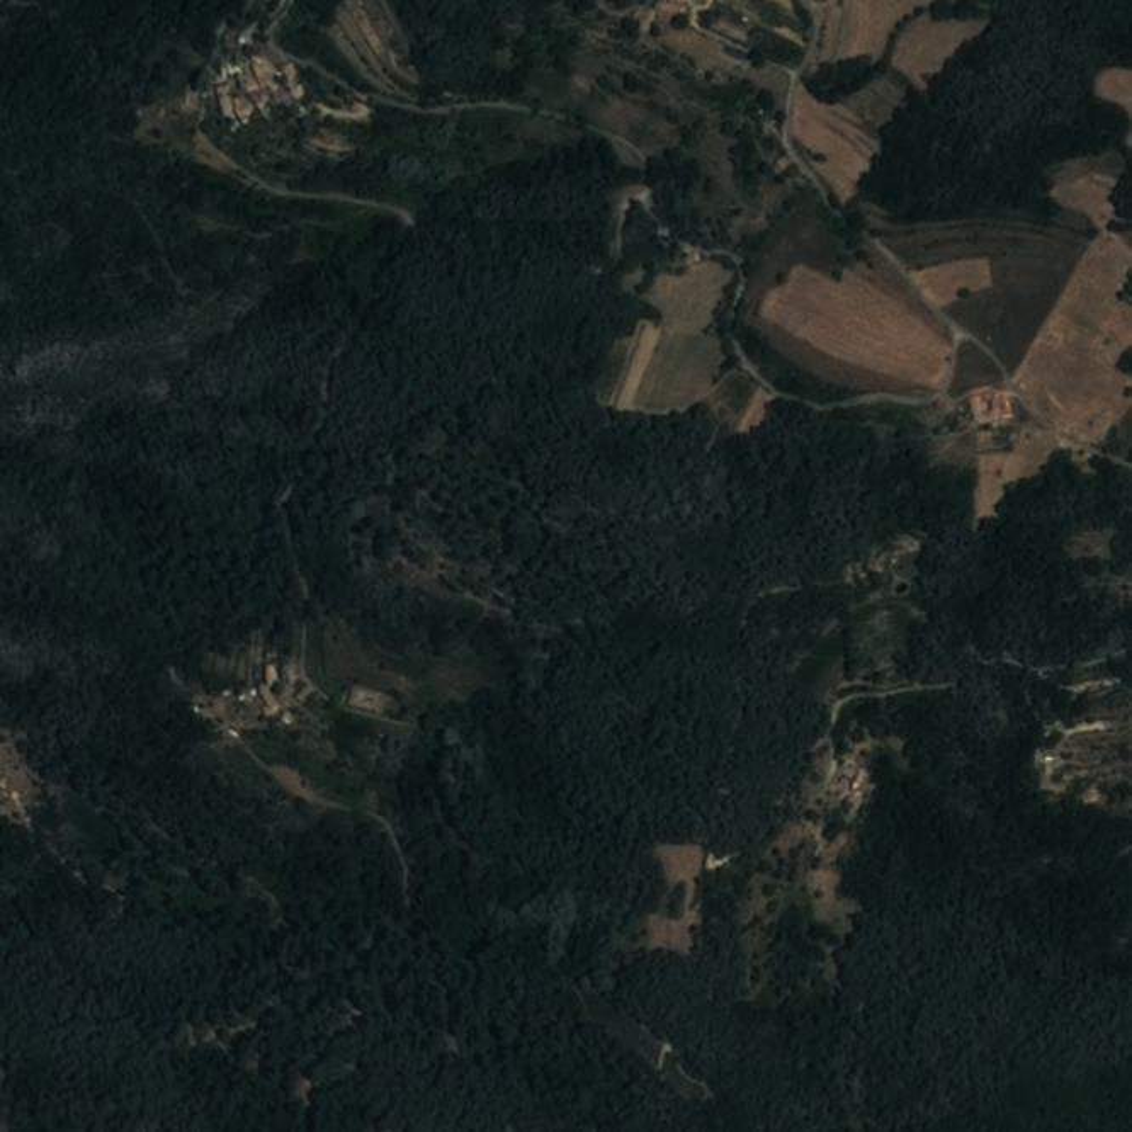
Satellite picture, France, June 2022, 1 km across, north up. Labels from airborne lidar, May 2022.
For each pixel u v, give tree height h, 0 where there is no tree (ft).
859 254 28
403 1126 58
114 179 21
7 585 34
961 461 0
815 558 73
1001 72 60
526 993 47
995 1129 37
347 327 52
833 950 42
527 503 100
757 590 60
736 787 49
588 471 44
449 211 39
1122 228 32
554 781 89
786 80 0
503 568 100
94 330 37
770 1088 40
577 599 97
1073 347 0
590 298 54
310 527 96
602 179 37
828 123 0
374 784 30
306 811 37
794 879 60
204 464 43
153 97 22
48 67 51
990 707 63
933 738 31
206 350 27
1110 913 49
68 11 33
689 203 31
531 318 60
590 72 0
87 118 29
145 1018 73
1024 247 0
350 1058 106
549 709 90
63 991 51
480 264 51
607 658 81
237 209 29
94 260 45
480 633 23
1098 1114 33
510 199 60
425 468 81
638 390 0
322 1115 73
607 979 47
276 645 38
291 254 29
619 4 28
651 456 65
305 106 21
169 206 27
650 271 25
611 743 61
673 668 72
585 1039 83
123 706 33
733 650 33
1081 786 29
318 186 32
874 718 38
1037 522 54
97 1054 58
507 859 103
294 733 19
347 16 0
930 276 0
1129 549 27
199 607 26
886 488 47
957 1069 64
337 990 114
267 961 42
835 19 0
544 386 29
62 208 27
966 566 36
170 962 51
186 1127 41
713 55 0
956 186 55
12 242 43
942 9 39
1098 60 36
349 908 61
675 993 60
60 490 46
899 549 0
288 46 35
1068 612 52
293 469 40
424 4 54
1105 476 34
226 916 83
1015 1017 35
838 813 19
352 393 38
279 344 31
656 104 20
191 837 37
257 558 33
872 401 0
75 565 21
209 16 36
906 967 65
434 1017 109
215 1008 58
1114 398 0
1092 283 0
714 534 30
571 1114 45
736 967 72
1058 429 0
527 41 33
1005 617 48
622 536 70
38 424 26
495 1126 68
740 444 37
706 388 0
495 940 32
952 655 30
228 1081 30
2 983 72
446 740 85
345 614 36
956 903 52
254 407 41
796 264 0
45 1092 43
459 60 74
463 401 52
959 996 57
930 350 0
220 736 20
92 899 66
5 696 40
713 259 21
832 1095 53
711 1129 36
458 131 31
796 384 28
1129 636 22
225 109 0
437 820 44
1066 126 38
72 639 25
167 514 81
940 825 78
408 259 56
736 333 37
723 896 25
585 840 70
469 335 37
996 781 32
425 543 94
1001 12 40
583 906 56
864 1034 73
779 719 41
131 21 23
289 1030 100
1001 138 48
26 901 33
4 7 33
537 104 33
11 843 30
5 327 30
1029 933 58
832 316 0
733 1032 67
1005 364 0
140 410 43
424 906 69
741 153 31
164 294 29
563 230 60
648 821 72
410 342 49
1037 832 51
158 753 27
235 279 22
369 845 47
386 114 26
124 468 34
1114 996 84
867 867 23
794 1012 67
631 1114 52
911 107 46
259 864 32
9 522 56
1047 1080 40
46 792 30
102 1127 43
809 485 39
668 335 0
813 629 52
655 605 71
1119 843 32
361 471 89
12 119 33
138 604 19
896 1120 23
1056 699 44
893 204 25
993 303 0
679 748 56
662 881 26
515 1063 72
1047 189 46
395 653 27
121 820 100
